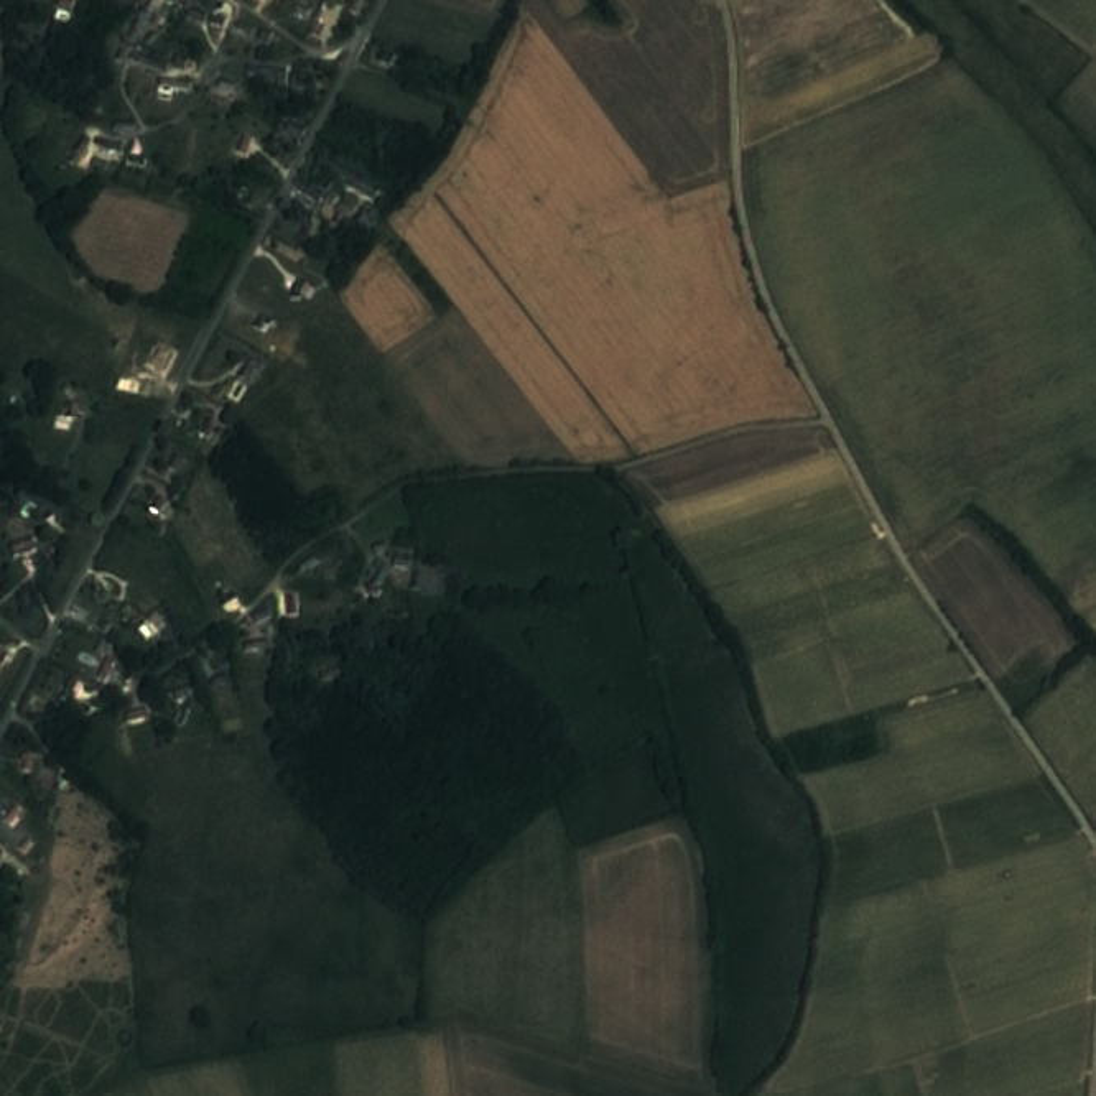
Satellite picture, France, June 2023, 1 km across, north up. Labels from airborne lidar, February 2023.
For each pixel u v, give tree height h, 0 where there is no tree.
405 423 0
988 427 0
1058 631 0
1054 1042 0
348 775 11
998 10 0
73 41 20
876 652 0
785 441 0
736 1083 0
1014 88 0
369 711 20
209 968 0
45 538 22
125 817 12
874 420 0
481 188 0
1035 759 0
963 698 0
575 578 0
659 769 8
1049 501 0
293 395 0
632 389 0
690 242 0
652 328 0
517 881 0
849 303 0
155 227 0
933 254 0
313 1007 0
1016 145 0
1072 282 0
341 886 0
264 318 6
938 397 0
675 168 0
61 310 0
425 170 13
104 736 0
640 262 0
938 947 0
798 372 7
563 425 0
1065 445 0
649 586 0
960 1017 0
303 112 19
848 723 0
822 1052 0
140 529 6
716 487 0
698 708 0
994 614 0
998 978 0
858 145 0
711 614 11
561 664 0
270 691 13
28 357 0
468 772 7
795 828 0
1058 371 0
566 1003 0
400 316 0
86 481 7
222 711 0
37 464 8
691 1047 0
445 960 0
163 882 0
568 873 0
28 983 0
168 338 0
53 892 0
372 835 7
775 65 0
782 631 0
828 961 0
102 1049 0
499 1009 0
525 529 0
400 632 15
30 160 10
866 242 0
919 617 0
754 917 0
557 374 0
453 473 10
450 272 0
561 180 0
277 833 0
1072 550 0
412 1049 0
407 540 12
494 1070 0
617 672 0
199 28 0
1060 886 0
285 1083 0
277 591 0
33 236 0
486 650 12
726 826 0
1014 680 0
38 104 0
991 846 0
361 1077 0
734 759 0
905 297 0
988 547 0
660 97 0
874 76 0
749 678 9
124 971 0
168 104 0
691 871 0
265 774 0
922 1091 0
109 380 0
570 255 0
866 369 0
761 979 0
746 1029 0
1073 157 0
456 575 15
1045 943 0
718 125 0
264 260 0
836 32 0
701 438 0
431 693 6
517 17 12
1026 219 0
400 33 0
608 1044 0
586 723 0
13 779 0
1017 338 0
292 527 7
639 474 0
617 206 0
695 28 0
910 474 0
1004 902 0
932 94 0
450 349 0
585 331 0
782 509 0
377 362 0
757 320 0
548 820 0
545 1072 0
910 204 0
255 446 13
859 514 0
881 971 0
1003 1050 0
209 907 0
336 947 0
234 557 0
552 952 0
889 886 0
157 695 22
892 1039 0
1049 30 0
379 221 12
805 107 0
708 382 0
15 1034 0
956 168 0
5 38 9
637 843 0
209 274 0
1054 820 0
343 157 7
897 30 0
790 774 12
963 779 0
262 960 0
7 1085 0
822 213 0
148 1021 0
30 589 12
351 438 0
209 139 0
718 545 0
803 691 0
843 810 0
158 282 0
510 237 0
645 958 0
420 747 7
